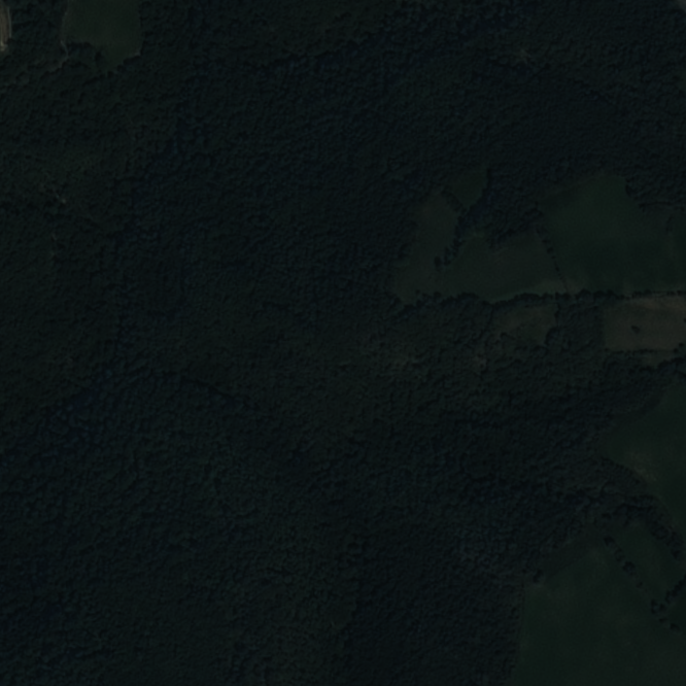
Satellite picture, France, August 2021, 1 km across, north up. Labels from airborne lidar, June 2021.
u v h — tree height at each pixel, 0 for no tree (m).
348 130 20
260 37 25
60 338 27
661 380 10
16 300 19
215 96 24
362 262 30
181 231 13
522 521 10
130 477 29
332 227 18
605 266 0
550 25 14
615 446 0
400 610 18
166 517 27
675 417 0
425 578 18
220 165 29
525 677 0
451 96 17
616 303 11
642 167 20
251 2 30
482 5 20
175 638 24
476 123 22
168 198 27
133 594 21
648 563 0
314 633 17
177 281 17
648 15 19
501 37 19
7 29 0
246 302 20
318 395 20
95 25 0
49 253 30
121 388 20
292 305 17
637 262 0
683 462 0
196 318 19
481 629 15
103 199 31
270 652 14
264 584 19
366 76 27
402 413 27
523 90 21
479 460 26
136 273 24
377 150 20
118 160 28
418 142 23
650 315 0
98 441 31
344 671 30
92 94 12
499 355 12
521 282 0
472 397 16
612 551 13
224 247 16
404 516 19
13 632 21
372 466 19
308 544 28
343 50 25
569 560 0
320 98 22
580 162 25
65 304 25
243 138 24
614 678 0
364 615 16
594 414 9
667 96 21
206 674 22
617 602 0
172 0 18
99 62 15
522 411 19
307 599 21
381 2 29
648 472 0
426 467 19
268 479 24
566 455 20
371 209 22
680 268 0
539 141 24
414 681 15
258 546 23
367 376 21
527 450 18
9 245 13
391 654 16
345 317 24
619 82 17
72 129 23
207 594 12
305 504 25
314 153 23
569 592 0
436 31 29
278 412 30
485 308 13
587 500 26
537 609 0
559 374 25
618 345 0
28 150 14
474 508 19
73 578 25
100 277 32
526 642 0
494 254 11
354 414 23
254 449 24
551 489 27
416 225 19
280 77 28
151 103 31
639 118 17
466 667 9
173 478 22
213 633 21
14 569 15
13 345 14
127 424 25
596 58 16
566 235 0
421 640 14
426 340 25
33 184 24
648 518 17
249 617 13
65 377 20
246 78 26
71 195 26
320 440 20
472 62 22
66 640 21
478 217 20
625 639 0
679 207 8
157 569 21
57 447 27
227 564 19
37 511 35
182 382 31
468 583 10
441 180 23
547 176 27
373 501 27
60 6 17
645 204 8
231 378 19
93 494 23
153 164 30
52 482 26
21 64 8
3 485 38
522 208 20
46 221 29
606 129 20
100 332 27
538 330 0
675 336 0
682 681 0
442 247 0
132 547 29
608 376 15
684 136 11
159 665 21
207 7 31
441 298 10
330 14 21
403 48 24
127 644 23
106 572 22
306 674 21
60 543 32
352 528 34
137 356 21
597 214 0
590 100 26
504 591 12
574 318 12
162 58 21
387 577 12
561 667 0
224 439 21
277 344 18
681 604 0
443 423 29
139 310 25
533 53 14
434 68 22
